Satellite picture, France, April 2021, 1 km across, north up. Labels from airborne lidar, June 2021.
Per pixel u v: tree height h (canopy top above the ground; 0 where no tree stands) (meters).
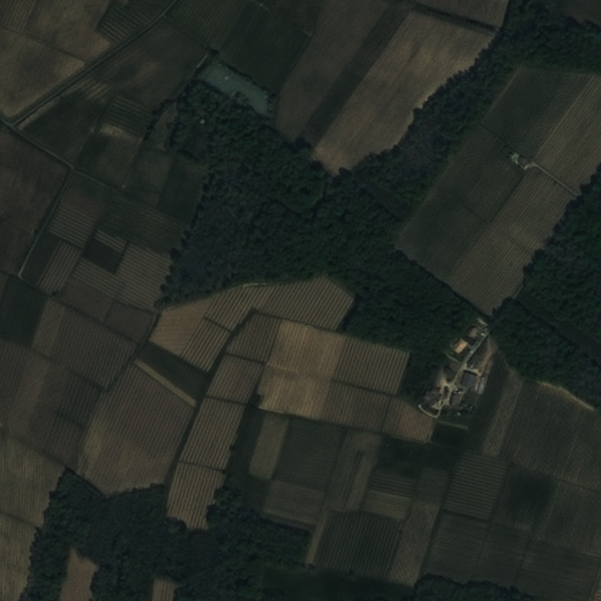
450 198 0
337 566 0
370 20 0
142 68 0
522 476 0
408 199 18
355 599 0
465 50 0
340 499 0
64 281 0
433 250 0
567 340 17
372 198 14
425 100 0
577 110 0
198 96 18
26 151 0
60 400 0
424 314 21
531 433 0
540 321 17
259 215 16
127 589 25
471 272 0
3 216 0
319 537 0
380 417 0
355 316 14
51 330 0
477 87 16
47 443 0
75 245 0
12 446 0
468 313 17
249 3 0
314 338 0
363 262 21
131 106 0
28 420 0
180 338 0
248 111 14
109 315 0
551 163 0
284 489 0
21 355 0
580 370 16
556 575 0
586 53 20
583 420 0
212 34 0
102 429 0
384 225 20
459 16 0
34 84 0
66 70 0
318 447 0
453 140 18
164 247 0
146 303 0
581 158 0
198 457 0
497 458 0
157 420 0
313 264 22
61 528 18
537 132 0
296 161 25
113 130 0
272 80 0
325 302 0
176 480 0
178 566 15
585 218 23
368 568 0
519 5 17
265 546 18
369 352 0
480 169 0
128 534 14
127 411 0
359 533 0
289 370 0
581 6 0
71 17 0
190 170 0
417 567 0
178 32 0
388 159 17
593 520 0
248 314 0
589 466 0
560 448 0
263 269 15
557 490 0
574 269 18
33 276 0
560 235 19
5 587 0
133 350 0
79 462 0
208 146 8
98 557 16
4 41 0
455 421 0
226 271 17
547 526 0
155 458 0
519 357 16
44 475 0
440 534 0
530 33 20
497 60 17
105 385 0
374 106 0
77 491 9
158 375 0
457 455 0
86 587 0
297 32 0
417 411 0
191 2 0
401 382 0
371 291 15
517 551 0
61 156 0
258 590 19
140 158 0
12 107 0
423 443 0
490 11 0
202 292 12
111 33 0
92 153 0
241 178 17
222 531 18
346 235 23
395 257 16
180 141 19
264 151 18
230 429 0
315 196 24
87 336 0
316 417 0
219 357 0
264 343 0
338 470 0
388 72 0
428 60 0
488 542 0
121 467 0
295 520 0
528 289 10
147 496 12
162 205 0
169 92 0
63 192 0
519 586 0
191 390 0
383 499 0
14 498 0
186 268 16
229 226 13
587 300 20
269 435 0
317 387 0
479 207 0
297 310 0
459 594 16
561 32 19
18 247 0
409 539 0
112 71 0
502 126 0
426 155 20
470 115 20
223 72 0
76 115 0
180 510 0
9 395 0
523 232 0
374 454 0
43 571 21
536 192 0
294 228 20
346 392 0
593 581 0
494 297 0
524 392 0
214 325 0
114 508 15
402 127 0
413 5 11
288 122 0
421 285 18
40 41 0
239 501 17
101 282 0
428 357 12
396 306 22
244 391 0
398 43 0
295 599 0
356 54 0
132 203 0
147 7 0
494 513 0
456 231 0
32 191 0
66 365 0
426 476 0
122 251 0
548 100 0
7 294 0
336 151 0
